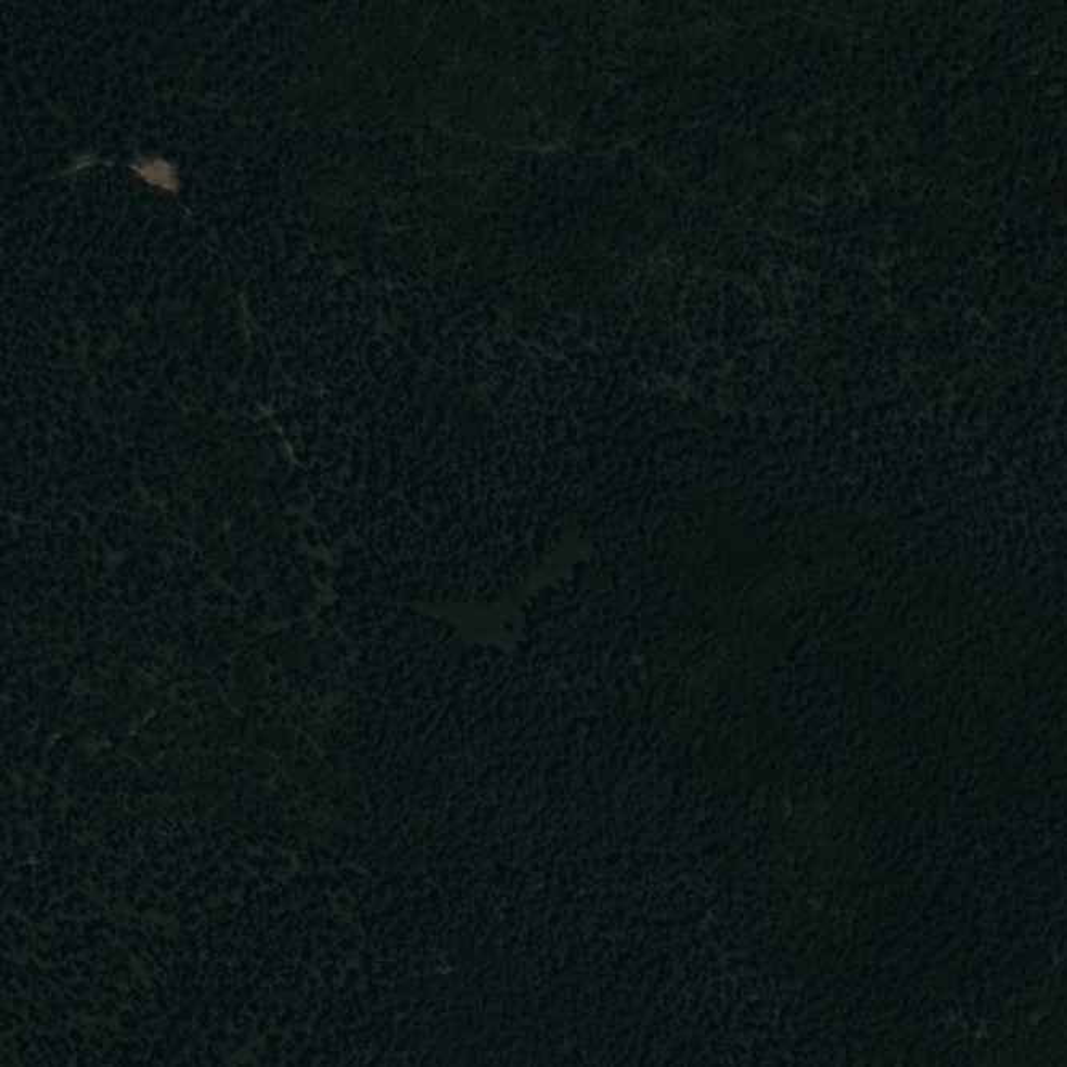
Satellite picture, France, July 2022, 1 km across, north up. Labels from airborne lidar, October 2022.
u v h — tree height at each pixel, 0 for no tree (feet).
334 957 39
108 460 27
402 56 29
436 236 31
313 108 20
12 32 89
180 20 70
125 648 21
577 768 57
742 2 20
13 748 45
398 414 46
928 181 40
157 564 98
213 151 84
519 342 38
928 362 46
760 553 29
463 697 79
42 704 34
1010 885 77
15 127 80
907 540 47
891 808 46
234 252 71
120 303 86
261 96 24
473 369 84
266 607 103
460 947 55
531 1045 66
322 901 51
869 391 35
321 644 32
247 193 105
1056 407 49
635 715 43
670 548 26
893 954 61
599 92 31
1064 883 68
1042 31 47
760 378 72
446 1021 68
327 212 22
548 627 64
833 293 40
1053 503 31
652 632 43
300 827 27
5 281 64
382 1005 65
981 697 51
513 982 64
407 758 41
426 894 72
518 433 29
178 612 100
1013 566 69
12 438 36
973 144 35
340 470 100
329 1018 92
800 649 66
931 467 55
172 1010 73
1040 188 27
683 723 19
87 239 31
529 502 94
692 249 30
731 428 44
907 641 24
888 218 62
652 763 68
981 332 52
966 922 64
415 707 70
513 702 63
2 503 42
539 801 55
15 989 57
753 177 29
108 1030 22
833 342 26
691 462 52
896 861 46
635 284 21
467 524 76
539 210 62
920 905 62
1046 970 66
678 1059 76
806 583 21
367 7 31
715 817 41
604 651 97
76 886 59
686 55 21
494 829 59
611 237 19
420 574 63
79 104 91
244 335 57
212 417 25
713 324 39
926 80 63
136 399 25
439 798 50
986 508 77
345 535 95
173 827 80
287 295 88
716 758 35
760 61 25
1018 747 35
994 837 56
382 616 91
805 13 19
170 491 22
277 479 58
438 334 52
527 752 57
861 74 24
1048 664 24
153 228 21
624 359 79
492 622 0
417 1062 62
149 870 52
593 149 60
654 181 23
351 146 27
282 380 88
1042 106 28
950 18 25
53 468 21
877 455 45
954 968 37
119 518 53
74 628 64
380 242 78
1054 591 29
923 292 63
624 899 91
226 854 19
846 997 48
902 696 64
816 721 41
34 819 65
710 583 41
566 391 92
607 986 27
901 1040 25
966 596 41
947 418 88
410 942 40
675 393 31
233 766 19
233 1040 83
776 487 83
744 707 36
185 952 39
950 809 58
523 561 85
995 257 54
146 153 41
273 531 34
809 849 36
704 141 31
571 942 25
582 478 60
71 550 35
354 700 35
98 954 26
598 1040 57
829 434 90
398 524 89
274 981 89
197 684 58
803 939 37
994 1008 62
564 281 30
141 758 20
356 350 66
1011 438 53
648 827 62
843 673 39
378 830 50
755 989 69
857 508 59
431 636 72
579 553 0
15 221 63
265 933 40
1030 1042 24
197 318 43
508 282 45
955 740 23
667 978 56
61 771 98
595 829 47
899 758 25
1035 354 51
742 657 23
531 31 29
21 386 59
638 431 76
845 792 32
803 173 23
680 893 45
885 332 59
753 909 76
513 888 67
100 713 28
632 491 56
